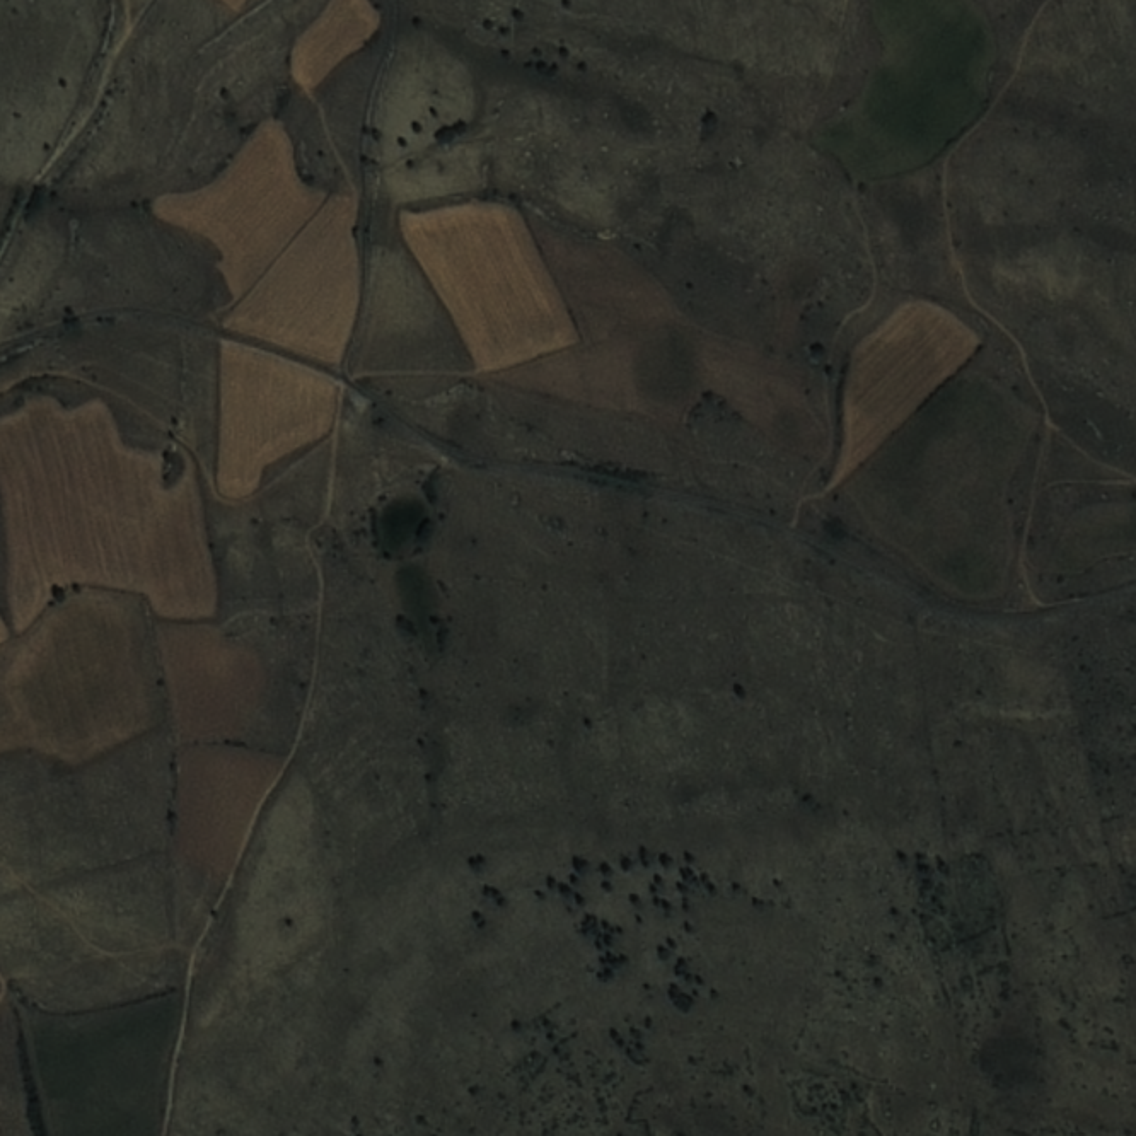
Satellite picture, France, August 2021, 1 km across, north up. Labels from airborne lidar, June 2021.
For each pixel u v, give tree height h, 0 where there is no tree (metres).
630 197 0
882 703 0
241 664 0
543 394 0
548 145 0
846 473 0
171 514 0
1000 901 0
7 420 0
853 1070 0
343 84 0
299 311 0
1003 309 0
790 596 0
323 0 0
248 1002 0
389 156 0
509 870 0
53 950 0
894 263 0
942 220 0
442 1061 0
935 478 0
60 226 0
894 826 0
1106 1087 0
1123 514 0
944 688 0
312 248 0
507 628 0
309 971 0
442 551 0
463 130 8
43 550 0
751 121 0
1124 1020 0
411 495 0
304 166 0
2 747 0
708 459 0
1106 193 0
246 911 0
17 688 0
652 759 0
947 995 0
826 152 0
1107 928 0
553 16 0
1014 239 0
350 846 0
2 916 0
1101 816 0
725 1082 0
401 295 0
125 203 0
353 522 0
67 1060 0
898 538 0
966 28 0
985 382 0
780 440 0
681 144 0
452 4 0
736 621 0
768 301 0
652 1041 0
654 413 0
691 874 8
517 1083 0
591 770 0
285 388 0
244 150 0
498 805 0
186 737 0
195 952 0
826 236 0
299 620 0
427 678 0
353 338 0
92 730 0
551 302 0
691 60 0
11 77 0
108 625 0
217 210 0
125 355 0
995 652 0
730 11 0
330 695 0
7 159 0
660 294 0
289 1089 0
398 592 0
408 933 0
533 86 0
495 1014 0
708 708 0
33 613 0
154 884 0
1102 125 0
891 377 0
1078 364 0
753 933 0
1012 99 0
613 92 0
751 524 0
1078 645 0
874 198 0
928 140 0
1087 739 0
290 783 0
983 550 0
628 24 0
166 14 0
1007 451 0
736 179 0
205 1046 0
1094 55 0
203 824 0
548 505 0
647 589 0
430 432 0
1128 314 0
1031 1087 0
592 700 0
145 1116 0
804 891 0
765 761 0
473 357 0
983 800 0
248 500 0
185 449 0
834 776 0
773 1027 0
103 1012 0
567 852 0
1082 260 0
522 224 0
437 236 0
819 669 0
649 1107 0
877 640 0
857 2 0
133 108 0
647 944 0
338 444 0
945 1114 0
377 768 0
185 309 0
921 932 0
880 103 0
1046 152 0
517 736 0
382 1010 0
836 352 0
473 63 0
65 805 0
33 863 0
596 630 0
